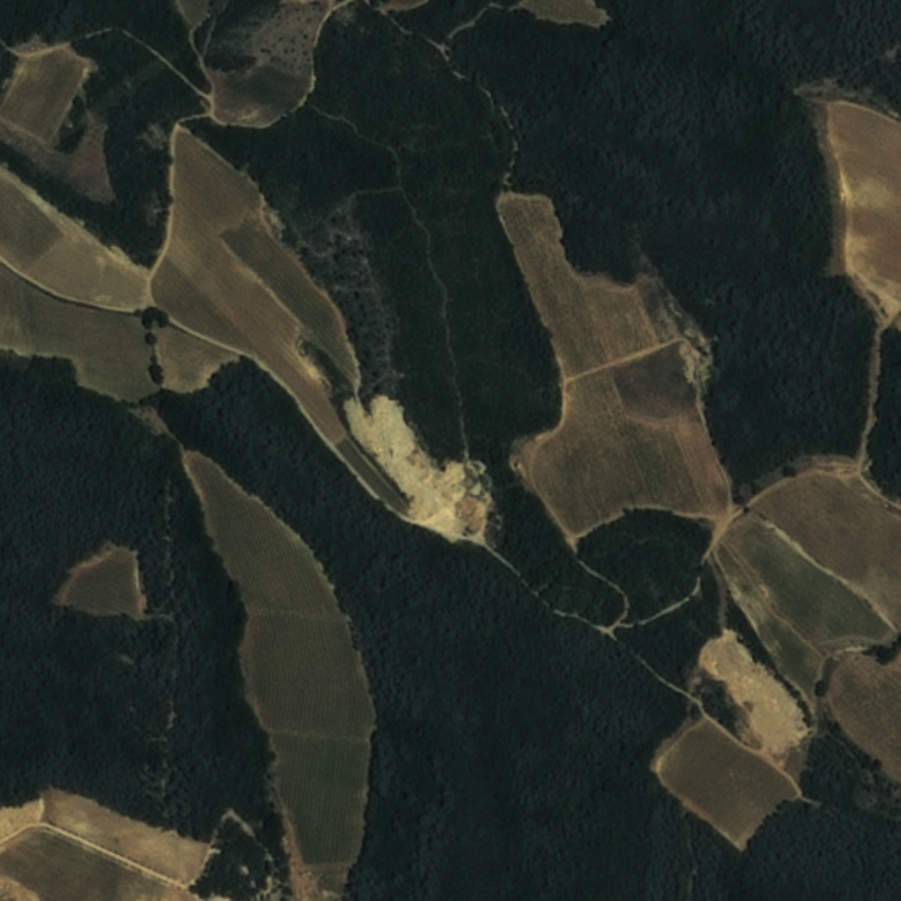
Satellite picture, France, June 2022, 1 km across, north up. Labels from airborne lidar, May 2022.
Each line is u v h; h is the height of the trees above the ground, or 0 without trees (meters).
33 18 10
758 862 12
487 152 6
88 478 10
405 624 17
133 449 11
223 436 11
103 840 0
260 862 11
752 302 7
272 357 0
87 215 9
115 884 0
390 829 12
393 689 18
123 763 20
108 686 15
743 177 10
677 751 0
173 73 7
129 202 6
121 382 0
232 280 0
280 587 0
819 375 9
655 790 21
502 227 6
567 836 16
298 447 8
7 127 0
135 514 15
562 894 9
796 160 15
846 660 0
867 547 0
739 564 0
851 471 0
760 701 0
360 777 0
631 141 10
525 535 6
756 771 0
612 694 17
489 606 11
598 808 18
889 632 0
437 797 8
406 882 9
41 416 11
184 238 0
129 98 6
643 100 21
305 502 8
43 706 15
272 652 0
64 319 0
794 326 15
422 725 11
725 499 0
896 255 0
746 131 13
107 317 0
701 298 8
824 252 14
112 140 8
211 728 16
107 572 0
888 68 8
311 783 0
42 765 14
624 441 0
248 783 13
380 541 17
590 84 11
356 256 12
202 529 19
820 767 15
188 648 16
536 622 10
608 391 0
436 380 7
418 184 5
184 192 0
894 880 15
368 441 0
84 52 11
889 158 0
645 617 7
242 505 0
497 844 9
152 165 8
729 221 8
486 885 8
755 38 19
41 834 0
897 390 17
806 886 15
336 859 0
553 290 0
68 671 13
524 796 20
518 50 6
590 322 0
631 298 0
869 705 0
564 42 6
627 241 7
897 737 0
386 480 0
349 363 0
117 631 18
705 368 0
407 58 6
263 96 0
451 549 13
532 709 7
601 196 7
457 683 8
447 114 10
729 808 0
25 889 0
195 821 12
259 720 11
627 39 18
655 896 19
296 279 0
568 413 0
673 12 7
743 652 0
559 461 0
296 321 0
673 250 10
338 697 0
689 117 21
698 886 11
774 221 11
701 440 0
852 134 0
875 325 12
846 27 16
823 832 13
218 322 0
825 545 0
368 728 0
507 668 9
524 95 8
